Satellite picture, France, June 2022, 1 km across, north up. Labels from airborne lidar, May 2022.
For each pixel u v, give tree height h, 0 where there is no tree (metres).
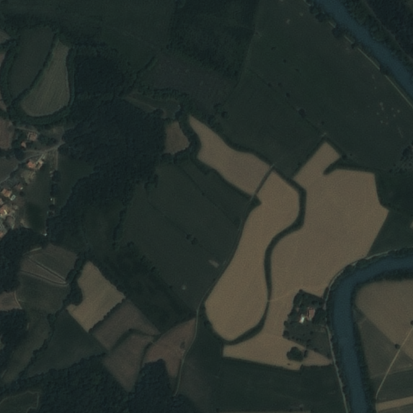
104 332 0
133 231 0
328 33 0
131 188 21
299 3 0
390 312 0
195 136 12
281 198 0
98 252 0
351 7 30
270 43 0
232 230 0
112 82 18
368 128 0
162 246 0
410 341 0
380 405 0
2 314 14
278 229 0
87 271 0
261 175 0
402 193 0
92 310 0
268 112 0
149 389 27
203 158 0
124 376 0
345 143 0
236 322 0
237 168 0
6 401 0
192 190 0
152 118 16
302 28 0
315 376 0
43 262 0
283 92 0
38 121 18
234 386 0
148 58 0
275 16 0
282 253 0
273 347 0
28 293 0
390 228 0
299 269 0
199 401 0
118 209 0
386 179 0
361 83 0
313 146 0
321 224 0
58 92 0
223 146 0
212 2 5
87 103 20
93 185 16
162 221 0
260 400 0
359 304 0
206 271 0
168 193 0
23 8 0
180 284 0
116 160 19
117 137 19
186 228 0
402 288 0
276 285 0
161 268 0
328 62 0
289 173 0
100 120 20
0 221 0
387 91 0
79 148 23
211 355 0
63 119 22
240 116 0
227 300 0
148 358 0
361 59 0
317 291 0
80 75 19
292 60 0
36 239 11
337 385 0
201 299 0
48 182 0
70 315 0
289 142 0
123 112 23
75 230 7
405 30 26
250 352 0
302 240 0
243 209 0
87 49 32
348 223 0
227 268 0
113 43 0
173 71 0
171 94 23
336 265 0
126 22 0
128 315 0
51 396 18
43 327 0
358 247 0
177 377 0
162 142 17
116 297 0
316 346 0
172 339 0
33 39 0
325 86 0
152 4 0
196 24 6
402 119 0
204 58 7
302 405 0
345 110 0
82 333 0
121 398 15
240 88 0
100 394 21
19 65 0
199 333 0
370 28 26
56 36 11
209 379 0
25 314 23
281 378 0
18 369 0
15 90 0
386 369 0
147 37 0
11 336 17
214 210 0
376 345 0
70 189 0
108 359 0
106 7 0
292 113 0
